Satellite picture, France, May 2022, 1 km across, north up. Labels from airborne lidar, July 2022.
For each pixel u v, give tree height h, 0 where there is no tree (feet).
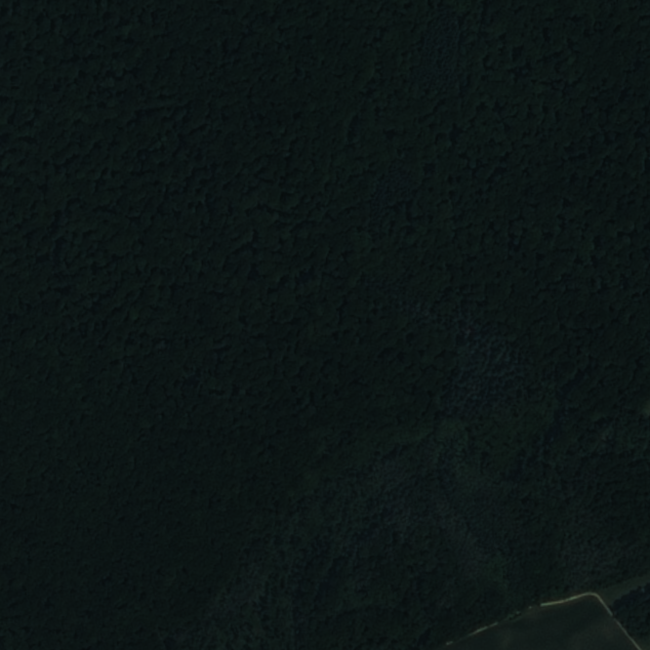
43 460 93
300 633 73
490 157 91
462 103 89
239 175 102
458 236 106
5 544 107
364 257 99
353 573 87
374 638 37
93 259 91
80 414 75
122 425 82
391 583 88
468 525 79
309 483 48
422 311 109
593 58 104
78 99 86
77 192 93
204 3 79
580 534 58
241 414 79
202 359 96
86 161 104
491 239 92
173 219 92
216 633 29
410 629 65
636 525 83
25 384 92
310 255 87
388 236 100
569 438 97
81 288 93
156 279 91
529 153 103
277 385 97
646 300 105
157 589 106
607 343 104
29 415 94
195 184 87
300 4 82
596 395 107
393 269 80
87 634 98
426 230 106
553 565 56
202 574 79
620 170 98
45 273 98
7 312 97
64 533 87
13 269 96
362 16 95
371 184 76
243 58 98
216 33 93
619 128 106
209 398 100
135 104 93
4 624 90
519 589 72
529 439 24
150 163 98
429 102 61
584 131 96
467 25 71
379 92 79
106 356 85
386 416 90
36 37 94
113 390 76
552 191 99
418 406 86
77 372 84
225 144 101
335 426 96
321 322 87
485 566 86
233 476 101
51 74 92
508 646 0
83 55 74
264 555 81
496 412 73
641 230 97
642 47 93
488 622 39
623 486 98
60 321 78
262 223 106
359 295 90
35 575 109
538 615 0
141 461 91
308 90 98
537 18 99
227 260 100
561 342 100
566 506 78
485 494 92
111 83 101
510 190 104
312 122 98
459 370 95
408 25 103
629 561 38
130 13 79
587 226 100
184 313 98
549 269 98
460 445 86
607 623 0
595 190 90
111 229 87
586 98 96
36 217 91
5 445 95
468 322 107
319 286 91
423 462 83
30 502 93
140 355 78
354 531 63
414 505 70
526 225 111
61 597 97
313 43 87
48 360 92
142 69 100
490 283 89
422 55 89
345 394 89
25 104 88
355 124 94
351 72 88
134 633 93
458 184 95
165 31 67
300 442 96
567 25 89
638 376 101
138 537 78
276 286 85
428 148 90
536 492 88
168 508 93
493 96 92
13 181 98
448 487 94
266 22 94
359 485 73
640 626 72
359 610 86
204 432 62
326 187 91
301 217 86
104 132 99
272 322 79
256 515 100
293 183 62
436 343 89
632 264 102
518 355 91
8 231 94
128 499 93
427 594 91
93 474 74
